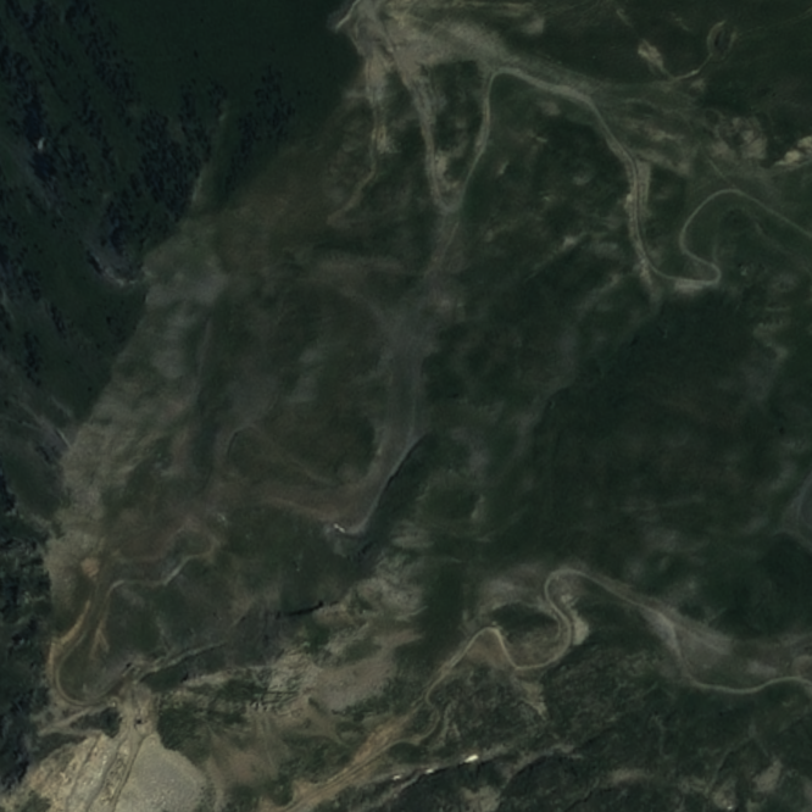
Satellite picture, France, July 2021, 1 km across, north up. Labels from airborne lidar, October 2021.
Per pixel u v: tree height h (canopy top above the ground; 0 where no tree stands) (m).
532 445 0
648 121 0
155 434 0
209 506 0
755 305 0
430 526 0
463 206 0
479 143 0
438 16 0
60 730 0
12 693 0
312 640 0
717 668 0
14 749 0
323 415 0
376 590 0
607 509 0
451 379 0
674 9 0
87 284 0
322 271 0
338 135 0
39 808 0
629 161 0
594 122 0
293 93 0
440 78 0
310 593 0
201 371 0
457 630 0
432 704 0
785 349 0
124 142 0
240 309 0
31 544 0
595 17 0
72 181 9
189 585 0
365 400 0
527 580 0
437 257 0
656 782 0
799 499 0
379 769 0
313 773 0
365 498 0
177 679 0
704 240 0
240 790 0
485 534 0
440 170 0
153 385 0
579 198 0
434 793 0
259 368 0
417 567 0
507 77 0
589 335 0
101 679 0
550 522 0
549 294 0
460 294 0
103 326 0
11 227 10
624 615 0
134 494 0
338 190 0
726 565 0
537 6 0
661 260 0
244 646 0
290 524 0
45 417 0
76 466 0
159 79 0
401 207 0
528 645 0
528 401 0
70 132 7
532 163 0
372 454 0
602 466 0
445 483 0
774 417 0
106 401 0
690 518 0
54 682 0
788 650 0
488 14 0
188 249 0
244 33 0
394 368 0
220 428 0
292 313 0
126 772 0
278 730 0
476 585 0
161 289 0
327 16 0
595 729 0
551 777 0
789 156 0
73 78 0
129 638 0
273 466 0
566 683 0
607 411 0
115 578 0
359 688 0
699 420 0
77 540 0
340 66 0
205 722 0
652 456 0
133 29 0
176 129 0
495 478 0
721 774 0
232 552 0
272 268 0
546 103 0
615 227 0
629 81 0
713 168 0
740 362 0
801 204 0
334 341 0
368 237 0
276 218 0
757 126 0
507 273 0
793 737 0
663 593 0
